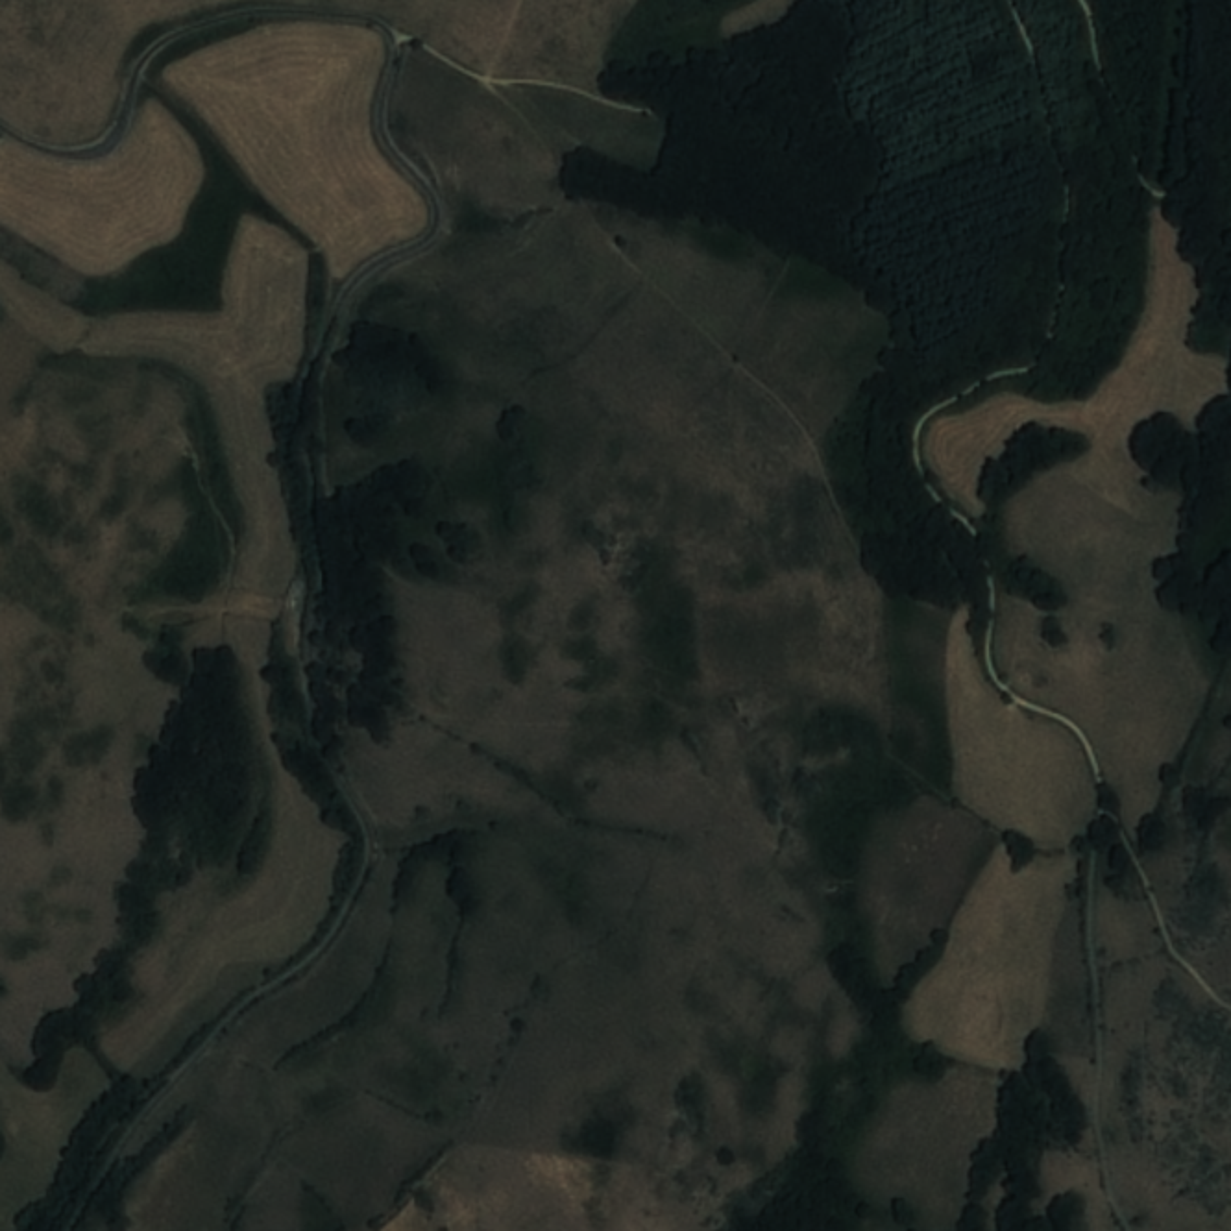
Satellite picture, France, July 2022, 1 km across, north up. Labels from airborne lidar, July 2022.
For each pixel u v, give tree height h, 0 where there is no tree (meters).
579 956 0
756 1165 0
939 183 15
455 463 0
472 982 0
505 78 0
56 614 0
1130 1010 0
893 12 16
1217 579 17
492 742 0
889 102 12
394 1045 0
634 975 0
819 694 0
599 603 0
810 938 0
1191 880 6
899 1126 0
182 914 0
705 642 0
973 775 0
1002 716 0
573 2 0
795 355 0
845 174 20
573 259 0
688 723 0
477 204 0
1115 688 0
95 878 0
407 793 0
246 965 0
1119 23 11
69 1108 0
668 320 0
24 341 0
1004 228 21
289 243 0
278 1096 0
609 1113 0
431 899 0
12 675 0
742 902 0
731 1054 0
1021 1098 20
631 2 0
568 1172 0
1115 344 14
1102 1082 0
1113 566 0
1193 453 19
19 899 0
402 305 0
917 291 23
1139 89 17
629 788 0
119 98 0
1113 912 0
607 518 0
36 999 0
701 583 0
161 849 7
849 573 0
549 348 0
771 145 18
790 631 0
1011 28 8
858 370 0
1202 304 12
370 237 0
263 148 0
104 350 0
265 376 0
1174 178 19
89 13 0
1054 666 0
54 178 0
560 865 0
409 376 8
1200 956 0
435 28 0
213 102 0
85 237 0
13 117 0
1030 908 0
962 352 11
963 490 0
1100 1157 0
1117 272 9
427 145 0
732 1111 0
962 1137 0
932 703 0
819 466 0
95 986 19
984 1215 17
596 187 16
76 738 0
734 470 0
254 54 0
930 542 15
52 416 0
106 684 0
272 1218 0
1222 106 17
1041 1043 12
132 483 0
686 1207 0
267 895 0
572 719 0
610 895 0
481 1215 0
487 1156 0
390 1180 0
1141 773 0
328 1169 0
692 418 0
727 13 0
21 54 0
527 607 0
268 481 0
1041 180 20
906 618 0
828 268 11
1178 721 0
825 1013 0
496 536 0
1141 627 0
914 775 0
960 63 16
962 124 16
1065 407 0
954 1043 0
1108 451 0
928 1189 0
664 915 0
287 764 15
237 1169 0
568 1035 0
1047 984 0
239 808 12
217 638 0
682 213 13
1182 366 0
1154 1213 0
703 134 22
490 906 0
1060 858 0
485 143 0
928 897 0
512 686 0
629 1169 0
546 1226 0
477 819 0
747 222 19
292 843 0
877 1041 9
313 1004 0
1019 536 0
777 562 0
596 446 0
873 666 0
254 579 0
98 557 0
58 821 0
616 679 0
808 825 0
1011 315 13
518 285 0
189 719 15
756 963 0
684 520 0
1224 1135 0
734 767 0
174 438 0
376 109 0
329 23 0
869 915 0
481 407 0
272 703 7
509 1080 0
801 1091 0
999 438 0
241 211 0
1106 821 13
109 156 0
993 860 0
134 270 0
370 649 12
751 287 0
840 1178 9
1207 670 0
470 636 0
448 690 0
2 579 0
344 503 18
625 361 0
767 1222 18
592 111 0
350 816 6
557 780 0
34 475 0
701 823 0
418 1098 0
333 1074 0
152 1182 0
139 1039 0
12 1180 0
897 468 18
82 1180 8
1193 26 17
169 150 0
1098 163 23
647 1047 0
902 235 18
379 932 0
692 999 0
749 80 15
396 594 0
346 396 0
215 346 0
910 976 17
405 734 0
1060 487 0
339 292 0
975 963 0
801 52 15
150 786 17
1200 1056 0
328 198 0
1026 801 0
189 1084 0
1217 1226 0
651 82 12
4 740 0
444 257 0
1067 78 10
